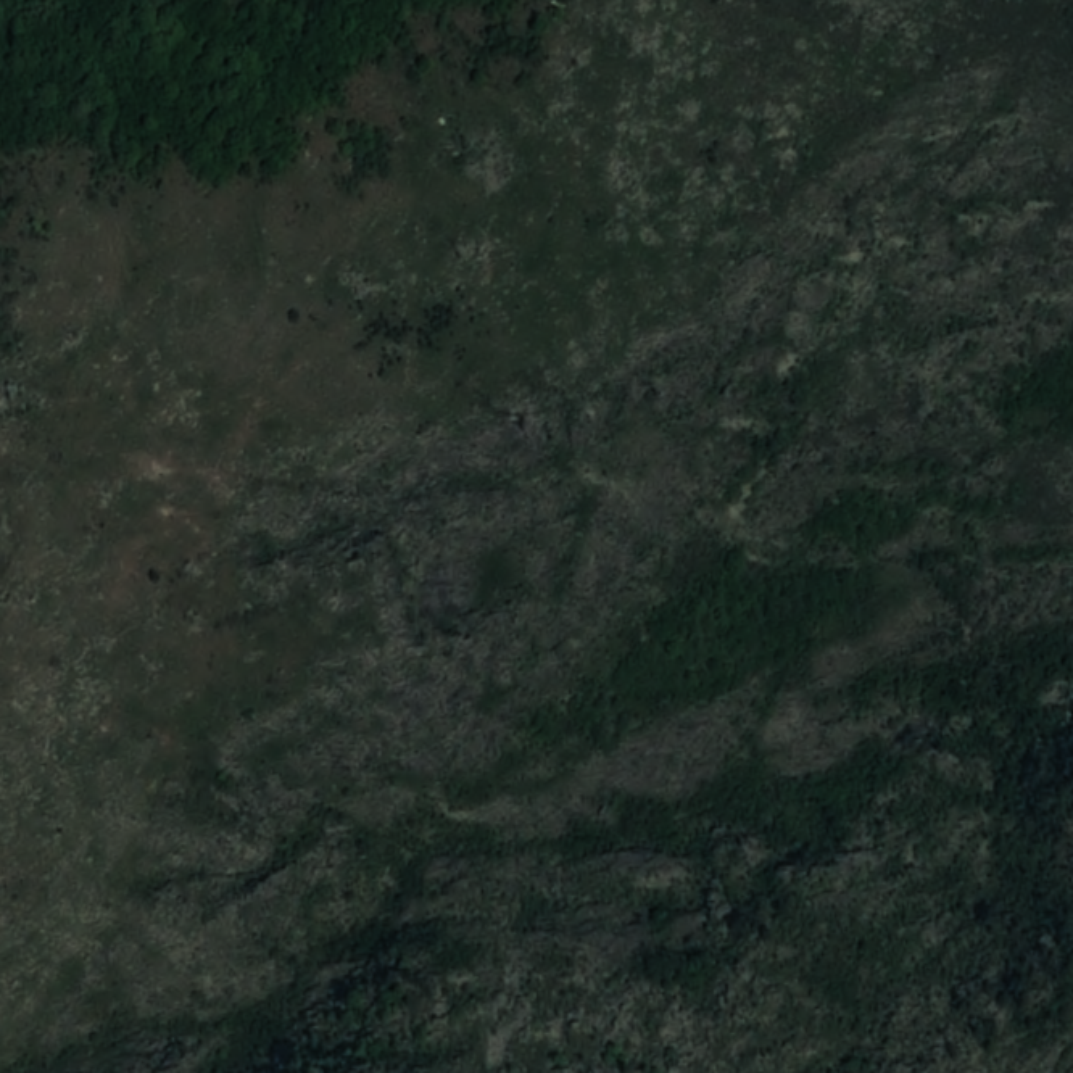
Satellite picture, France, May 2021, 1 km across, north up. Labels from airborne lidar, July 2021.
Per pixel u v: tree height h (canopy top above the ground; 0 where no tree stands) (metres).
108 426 0
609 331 0
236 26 15
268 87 15
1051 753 8
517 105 0
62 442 0
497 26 8
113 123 10
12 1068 7
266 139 15
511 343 0
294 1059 14
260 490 0
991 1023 11
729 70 0
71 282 0
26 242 0
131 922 0
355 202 0
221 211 0
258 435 0
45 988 0
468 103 0
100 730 0
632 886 7
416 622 12
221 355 0
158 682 0
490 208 0
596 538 0
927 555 12
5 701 0
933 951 9
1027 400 17
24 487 0
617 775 0
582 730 7
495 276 0
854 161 0
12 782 0
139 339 0
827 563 6
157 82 13
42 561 0
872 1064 10
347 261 0
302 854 6
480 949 7
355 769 0
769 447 21
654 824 11
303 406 0
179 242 0
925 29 0
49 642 0
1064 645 13
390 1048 9
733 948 8
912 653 9
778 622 8
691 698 11
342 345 0
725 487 7
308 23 17
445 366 0
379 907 7
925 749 9
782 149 0
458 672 0
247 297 0
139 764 0
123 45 17
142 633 0
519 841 9
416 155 0
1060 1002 8
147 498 0
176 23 16
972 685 6
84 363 0
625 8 0
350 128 10
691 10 0
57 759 0
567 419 11
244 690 0
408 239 0
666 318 0
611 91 0
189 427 0
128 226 0
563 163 0
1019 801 7
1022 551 7
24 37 19
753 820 7
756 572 17
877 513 22
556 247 0
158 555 0
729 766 8
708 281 0
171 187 0
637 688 12
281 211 0
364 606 0
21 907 0
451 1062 7
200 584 0
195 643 0
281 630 0
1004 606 7
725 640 16
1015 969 9
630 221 0
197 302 0
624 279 0
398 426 0
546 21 13
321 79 8
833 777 7
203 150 19
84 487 0
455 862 0
